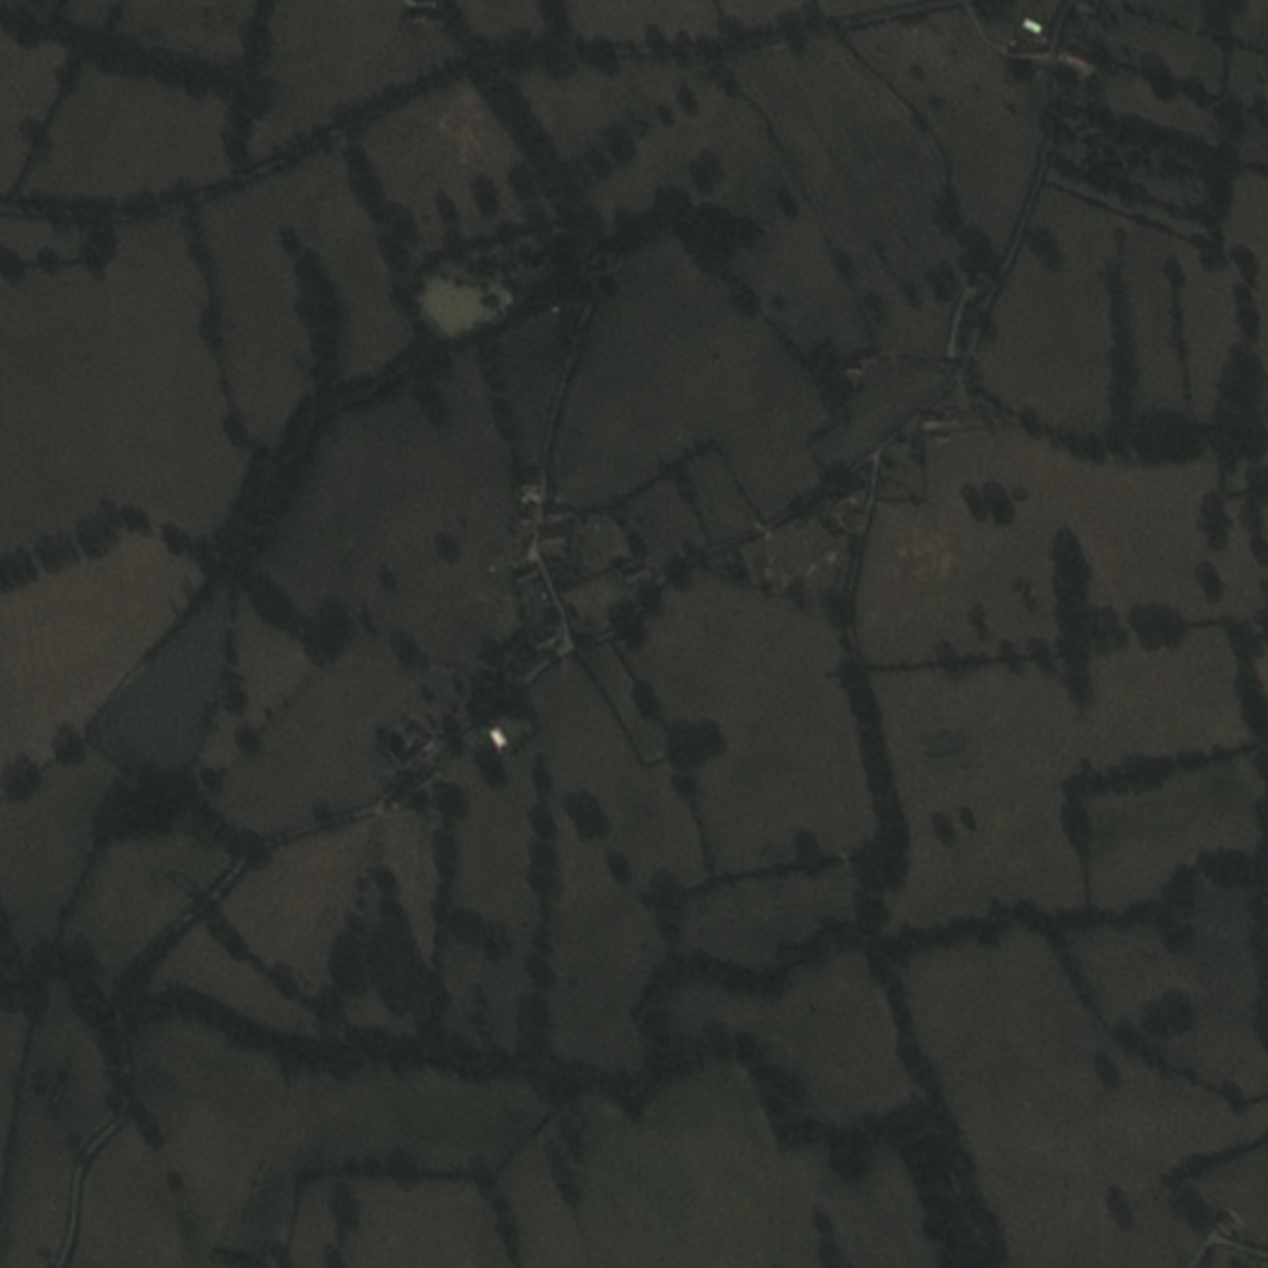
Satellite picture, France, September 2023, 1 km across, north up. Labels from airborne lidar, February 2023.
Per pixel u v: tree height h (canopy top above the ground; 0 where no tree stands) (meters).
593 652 0
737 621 0
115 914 0
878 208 0
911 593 0
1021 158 0
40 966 19
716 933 0
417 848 0
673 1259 0
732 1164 0
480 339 17
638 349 0
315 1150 0
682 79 0
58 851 0
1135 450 25
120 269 0
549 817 9
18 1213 0
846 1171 12
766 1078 14
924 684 0
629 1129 0
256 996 0
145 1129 15
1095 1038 0
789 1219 0
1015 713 0
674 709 0
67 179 0
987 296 0
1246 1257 0
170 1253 0
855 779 0
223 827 14
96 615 0
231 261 0
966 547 0
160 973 0
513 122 18
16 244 0
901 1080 0
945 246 0
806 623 0
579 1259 0
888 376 0
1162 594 0
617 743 0
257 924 0
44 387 0
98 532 18
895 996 13
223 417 0
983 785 0
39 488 0
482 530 0
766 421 0
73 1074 0
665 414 0
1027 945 0
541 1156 0
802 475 0
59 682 0
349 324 0
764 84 0
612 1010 0
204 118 0
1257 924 18
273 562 0
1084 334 0
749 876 7
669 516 0
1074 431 0
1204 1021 0
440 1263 0
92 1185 0
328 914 0
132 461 0
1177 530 0
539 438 0
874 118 0
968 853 0
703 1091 0
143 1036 0
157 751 0
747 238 15
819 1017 0
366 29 0
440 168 0
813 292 0
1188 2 0
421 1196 0
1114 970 0
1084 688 19
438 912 13
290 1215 0
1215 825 0
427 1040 19
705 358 0
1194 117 0
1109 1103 0
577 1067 8
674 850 0
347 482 0
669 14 0
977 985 0
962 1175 15
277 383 0
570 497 0
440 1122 0
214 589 8
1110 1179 0
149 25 0
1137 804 0
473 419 0
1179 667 0
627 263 0
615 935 0
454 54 0
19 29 18
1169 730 0
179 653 0
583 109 0
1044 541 0
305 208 0
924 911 0
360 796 0
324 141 14
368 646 0
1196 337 0
